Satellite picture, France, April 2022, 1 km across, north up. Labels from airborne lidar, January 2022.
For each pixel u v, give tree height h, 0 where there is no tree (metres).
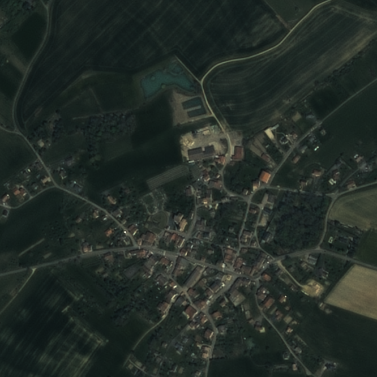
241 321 0
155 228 0
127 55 0
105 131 15
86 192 0
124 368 0
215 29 0
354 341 0
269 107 0
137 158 0
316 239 25
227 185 0
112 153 0
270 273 0
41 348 0
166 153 0
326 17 0
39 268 0
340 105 0
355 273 0
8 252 0
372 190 0
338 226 14
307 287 0
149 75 0
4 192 0
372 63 0
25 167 0
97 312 0
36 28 0
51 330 0
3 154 0
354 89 0
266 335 0
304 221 30
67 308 0
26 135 0
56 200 0
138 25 0
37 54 0
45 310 0
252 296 0
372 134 0
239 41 0
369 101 0
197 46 0
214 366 0
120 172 0
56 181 0
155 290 0
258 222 0
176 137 0
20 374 0
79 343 0
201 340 0
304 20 0
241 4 0
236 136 0
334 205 0
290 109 0
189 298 0
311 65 0
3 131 0
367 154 0
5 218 0
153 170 0
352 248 9
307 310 0
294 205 22
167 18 0
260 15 0
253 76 0
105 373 0
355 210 0
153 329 0
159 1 0
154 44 0
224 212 18
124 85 0
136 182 0
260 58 0
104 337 0
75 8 0
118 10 0
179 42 0
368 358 0
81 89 0
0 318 0
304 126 0
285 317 0
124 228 0
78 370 0
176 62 0
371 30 0
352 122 0
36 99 0
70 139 0
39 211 0
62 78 0
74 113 0
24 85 0
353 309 0
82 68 0
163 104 0
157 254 0
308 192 0
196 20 0
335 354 0
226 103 0
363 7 0
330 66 0
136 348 0
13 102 0
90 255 0
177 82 0
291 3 0
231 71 0
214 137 0
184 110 0
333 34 0
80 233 0
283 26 0
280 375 0
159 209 0
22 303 0
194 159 0
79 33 0
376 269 0
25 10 8
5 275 0
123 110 0
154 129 0
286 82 0
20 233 0
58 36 0
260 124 0
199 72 0
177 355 0
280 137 0
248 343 0
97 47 0
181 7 0
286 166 0
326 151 0
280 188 0
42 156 11
